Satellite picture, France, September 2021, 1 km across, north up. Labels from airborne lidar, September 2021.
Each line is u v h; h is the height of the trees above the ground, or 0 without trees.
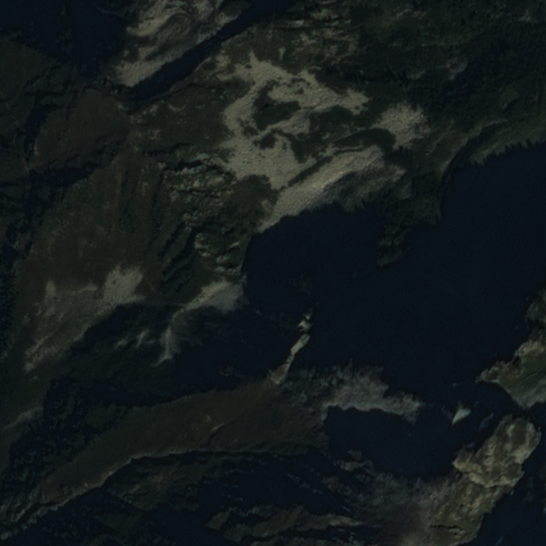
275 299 0
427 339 7
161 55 0
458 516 0
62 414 12
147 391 0
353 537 0
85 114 0
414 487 0
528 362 0
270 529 0
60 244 0
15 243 9
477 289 0
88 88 0
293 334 0
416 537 0
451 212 0
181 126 0
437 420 0
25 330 0
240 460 0
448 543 0
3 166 0
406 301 0
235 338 0
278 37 0
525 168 0
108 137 0
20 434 0
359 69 10
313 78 0
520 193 0
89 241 0
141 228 0
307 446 0
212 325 0
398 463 0
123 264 0
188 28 0
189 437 0
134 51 0
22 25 10
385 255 8
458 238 0
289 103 0
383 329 0
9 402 0
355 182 0
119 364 0
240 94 0
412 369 0
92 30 0
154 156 0
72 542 0
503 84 7
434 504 0
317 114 0
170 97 0
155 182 0
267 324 0
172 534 0
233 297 0
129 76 0
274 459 0
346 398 0
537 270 6
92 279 0
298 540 0
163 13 0
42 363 0
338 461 0
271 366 0
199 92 0
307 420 0
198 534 0
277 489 0
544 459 0
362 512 0
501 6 7
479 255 0
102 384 0
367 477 0
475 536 0
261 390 0
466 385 0
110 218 0
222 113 0
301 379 0
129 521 0
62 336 0
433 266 0
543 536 0
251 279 0
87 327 0
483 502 0
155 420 0
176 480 0
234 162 0
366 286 0
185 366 0
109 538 0
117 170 0
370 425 0
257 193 0
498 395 0
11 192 0
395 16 0
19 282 0
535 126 0
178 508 0
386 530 0
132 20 0
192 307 0
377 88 0
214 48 0
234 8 0
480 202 0
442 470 0
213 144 0
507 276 7
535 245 7
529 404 0
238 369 0
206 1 0
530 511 0
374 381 0
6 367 0
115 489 0
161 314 0
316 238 0
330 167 0
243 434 0
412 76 0
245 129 0
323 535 0
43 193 0
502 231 0
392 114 0
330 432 0
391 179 0
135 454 0
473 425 0
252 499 0
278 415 0
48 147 0
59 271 0
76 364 0
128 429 0
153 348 0
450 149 0
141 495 0
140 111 0
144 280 0
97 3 6
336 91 0
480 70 7
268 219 0
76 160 0
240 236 0
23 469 11
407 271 0
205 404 0
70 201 0
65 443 6
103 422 0
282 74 0
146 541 0
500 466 0
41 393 0
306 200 0
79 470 0
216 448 0
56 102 0
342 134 0
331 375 0
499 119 0
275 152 0
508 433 0
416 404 0
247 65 0
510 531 0
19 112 0
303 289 0
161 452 0
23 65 0
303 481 0
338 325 0
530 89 7
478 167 0
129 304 0
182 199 0
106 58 0
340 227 0
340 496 0
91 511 0
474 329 7
